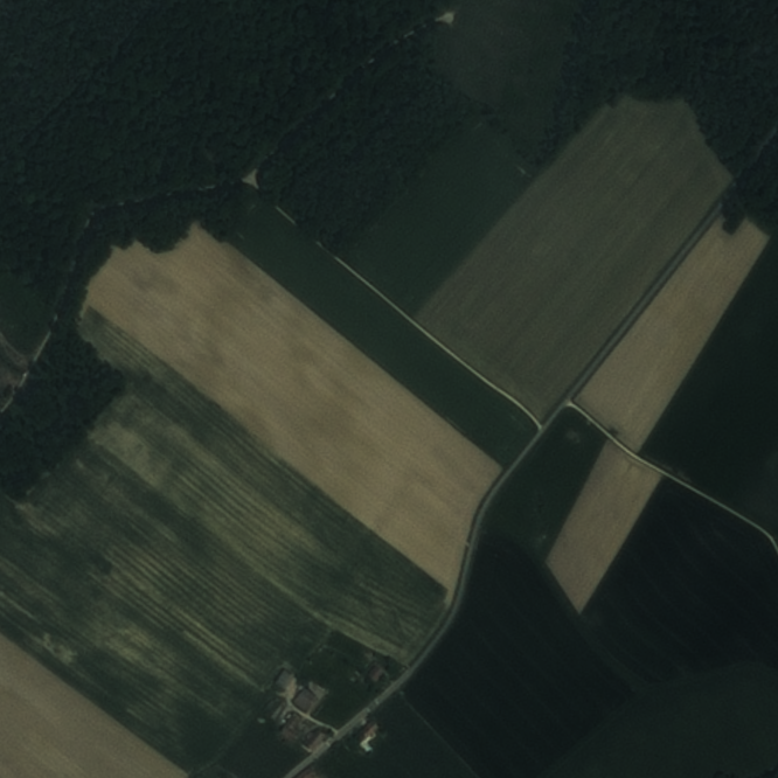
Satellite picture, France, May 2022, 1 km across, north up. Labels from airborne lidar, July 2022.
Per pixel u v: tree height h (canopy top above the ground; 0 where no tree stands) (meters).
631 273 0
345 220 22
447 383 0
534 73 0
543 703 0
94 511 0
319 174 25
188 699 0
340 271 0
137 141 23
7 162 19
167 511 0
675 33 25
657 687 0
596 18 26
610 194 0
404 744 0
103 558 0
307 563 0
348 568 0
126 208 8
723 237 0
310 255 0
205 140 20
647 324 0
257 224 0
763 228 0
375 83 9
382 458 0
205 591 0
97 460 0
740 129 26
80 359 16
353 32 29
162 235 22
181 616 0
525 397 0
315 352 0
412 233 0
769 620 0
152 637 0
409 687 0
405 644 0
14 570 0
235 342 0
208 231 21
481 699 0
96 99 25
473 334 0
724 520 0
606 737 0
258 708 0
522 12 0
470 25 0
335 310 0
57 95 27
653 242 0
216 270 0
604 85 30
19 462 31
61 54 27
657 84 23
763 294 0
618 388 0
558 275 0
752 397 0
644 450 0
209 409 0
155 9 12
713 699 0
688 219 0
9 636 0
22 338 0
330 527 0
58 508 0
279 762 0
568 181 0
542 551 0
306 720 0
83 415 28
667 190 0
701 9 25
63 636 0
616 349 0
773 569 0
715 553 0
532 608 0
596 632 0
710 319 0
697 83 19
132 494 0
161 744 0
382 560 0
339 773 0
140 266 0
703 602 0
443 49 0
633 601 0
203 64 32
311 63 25
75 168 26
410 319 0
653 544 0
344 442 0
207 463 0
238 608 0
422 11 21
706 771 0
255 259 0
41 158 24
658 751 0
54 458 20
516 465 0
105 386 21
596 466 0
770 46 22
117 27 20
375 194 24
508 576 0
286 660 0
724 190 0
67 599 0
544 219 0
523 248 0
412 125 26
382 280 0
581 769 0
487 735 0
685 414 0
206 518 0
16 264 23
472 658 0
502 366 0
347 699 0
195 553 0
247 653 0
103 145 26
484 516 0
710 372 0
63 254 29
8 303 0
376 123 14
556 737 0
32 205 19
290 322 0
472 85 0
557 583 0
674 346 0
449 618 0
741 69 23
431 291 0
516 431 0
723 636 0
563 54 0
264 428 0
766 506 0
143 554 0
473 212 0
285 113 30
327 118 15
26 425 23
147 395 0
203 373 0
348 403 0
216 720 0
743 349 0
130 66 16
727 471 0
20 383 0
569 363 0
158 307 0
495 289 0
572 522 0
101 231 22
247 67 29
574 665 0
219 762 0
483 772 0
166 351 0
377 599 0
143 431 0
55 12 22
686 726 0
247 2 25
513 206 0
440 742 0
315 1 29
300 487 0
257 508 0
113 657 0
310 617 0
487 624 0
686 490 0
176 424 0
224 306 0
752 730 0
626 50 20
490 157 0
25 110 18
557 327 0
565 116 25
